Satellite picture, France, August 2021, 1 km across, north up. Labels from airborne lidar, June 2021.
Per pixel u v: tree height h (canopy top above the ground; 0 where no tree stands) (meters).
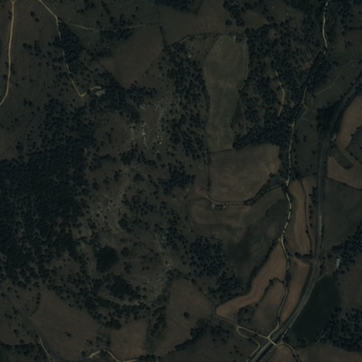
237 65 0
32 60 0
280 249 0
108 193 0
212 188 0
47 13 0
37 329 0
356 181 0
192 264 8
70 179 8
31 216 12
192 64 11
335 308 0
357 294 0
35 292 0
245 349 0
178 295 0
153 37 0
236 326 0
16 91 0
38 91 0
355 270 0
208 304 0
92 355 0
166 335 0
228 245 0
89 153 8
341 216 0
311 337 0
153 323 0
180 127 13
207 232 0
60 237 9
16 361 0
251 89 0
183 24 0
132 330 0
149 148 0
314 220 0
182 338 0
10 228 11
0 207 14
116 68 0
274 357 0
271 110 10
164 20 0
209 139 0
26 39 0
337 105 12
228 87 0
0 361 0
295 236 0
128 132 0
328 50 14
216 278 0
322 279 0
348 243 15
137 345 0
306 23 14
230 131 0
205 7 0
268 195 0
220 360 0
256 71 14
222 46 0
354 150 0
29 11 0
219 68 0
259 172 0
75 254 11
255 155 0
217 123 0
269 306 0
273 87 0
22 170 19
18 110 0
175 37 0
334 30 9
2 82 0
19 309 0
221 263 11
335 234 0
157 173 0
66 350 0
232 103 0
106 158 12
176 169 11
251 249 0
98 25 6
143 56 0
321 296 0
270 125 12
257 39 14
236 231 0
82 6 0
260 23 0
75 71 9
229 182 0
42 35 0
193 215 0
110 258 16
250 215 0
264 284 0
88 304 9
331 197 0
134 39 0
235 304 0
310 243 0
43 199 12
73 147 11
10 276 9
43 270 9
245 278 0
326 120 10
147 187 0
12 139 0
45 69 0
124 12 0
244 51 0
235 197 0
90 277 7
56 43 8
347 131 0
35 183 15
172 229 13
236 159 0
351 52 0
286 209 0
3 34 0
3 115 0
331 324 13
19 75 0
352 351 11
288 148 14
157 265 0
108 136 5
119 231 0
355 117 0
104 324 7
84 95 0
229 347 0
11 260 12
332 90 0
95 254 8
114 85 15
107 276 5
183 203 0
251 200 8
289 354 0
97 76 0
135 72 0
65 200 14
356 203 0
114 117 0
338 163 0
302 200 0
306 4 13
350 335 9
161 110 0
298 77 10
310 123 0
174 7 8
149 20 0
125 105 9
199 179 0
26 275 11
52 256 10
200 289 8
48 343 0
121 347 0
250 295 0
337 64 11
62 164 14
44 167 12
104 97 10
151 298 0
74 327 0
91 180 0
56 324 0
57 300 0
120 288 10
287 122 17
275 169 0
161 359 6
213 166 0
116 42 0
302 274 0
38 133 0
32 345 9
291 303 0
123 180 0
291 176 7
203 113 0
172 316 0
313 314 0
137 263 0
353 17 7
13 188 15
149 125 0
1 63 0
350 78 0
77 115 8
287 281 10
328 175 0
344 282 0
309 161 0
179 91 10
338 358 0
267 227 0
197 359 0
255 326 0
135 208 9
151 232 0
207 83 0
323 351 0
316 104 0
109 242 0
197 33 0
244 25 6
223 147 0
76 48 9
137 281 0
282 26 11
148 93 14
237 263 0
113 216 0
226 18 0
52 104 9
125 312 9
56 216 13
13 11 0
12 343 0
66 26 12
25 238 9
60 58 6
